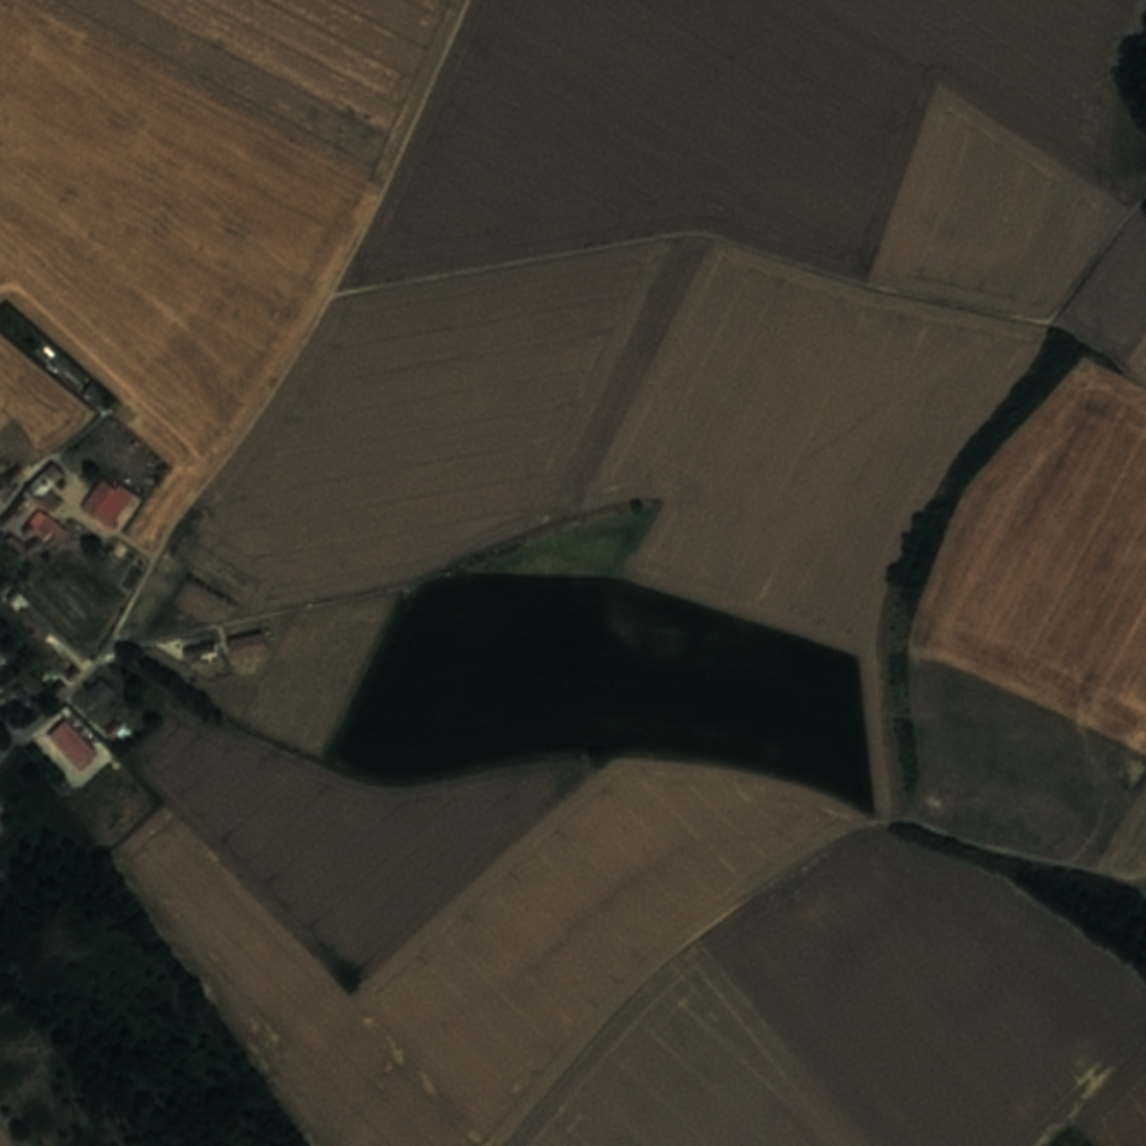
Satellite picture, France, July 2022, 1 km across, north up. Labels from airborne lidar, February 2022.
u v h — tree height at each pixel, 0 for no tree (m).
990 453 6
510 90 0
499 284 0
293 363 0
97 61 0
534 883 0
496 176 0
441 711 0
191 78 0
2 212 0
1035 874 9
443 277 0
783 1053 0
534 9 0
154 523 0
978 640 0
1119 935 19
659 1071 0
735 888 0
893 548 0
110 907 13
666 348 0
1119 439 0
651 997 0
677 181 0
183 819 0
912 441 0
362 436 0
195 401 0
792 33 0
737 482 0
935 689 0
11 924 14
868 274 0
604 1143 0
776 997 0
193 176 0
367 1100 0
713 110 0
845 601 0
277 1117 10
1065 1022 0
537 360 0
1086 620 0
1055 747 0
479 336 0
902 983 0
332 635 0
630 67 0
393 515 0
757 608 0
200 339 0
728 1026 0
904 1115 0
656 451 0
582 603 0
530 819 0
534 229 0
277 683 0
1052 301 0
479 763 0
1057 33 0
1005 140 0
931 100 0
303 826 0
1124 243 0
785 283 0
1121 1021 0
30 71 0
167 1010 13
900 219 0
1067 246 0
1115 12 0
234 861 0
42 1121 0
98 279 0
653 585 0
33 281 0
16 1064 0
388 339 0
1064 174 0
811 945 0
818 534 0
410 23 0
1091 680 0
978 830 0
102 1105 10
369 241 0
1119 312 0
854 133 0
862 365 0
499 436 0
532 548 0
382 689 0
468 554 0
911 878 0
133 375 0
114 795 0
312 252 0
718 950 0
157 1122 17
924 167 0
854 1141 0
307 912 0
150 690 0
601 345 0
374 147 0
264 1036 0
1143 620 0
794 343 0
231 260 0
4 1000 8
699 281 0
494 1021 0
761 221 0
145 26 0
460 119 0
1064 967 0
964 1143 0
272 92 0
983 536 0
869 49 0
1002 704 0
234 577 0
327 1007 0
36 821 0
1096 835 0
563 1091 0
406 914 0
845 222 0
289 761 0
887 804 0
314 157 0
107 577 0
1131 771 0
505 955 0
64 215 0
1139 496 0
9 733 10
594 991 0
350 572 0
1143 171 0
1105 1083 0
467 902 0
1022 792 0
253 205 0
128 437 0
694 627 0
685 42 0
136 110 0
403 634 0
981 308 0
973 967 0
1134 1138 0
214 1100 17
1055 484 0
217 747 0
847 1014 0
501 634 0
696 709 0
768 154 0
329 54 0
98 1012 11
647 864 0
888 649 0
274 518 0
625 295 0
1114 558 0
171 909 0
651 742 0
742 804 0
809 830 0
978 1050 0
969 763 0
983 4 0
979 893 0
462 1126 0
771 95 0
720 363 0
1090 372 0
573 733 0
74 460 0
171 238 0
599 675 0
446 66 0
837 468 0
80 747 0
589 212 0
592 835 0
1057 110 0
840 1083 0
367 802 0
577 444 0
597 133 0
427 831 0
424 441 0
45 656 0
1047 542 0
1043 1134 0
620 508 0
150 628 0
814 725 0
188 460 0
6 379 0
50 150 0
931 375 0
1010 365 0
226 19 0
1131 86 16
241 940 0
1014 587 0
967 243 0
